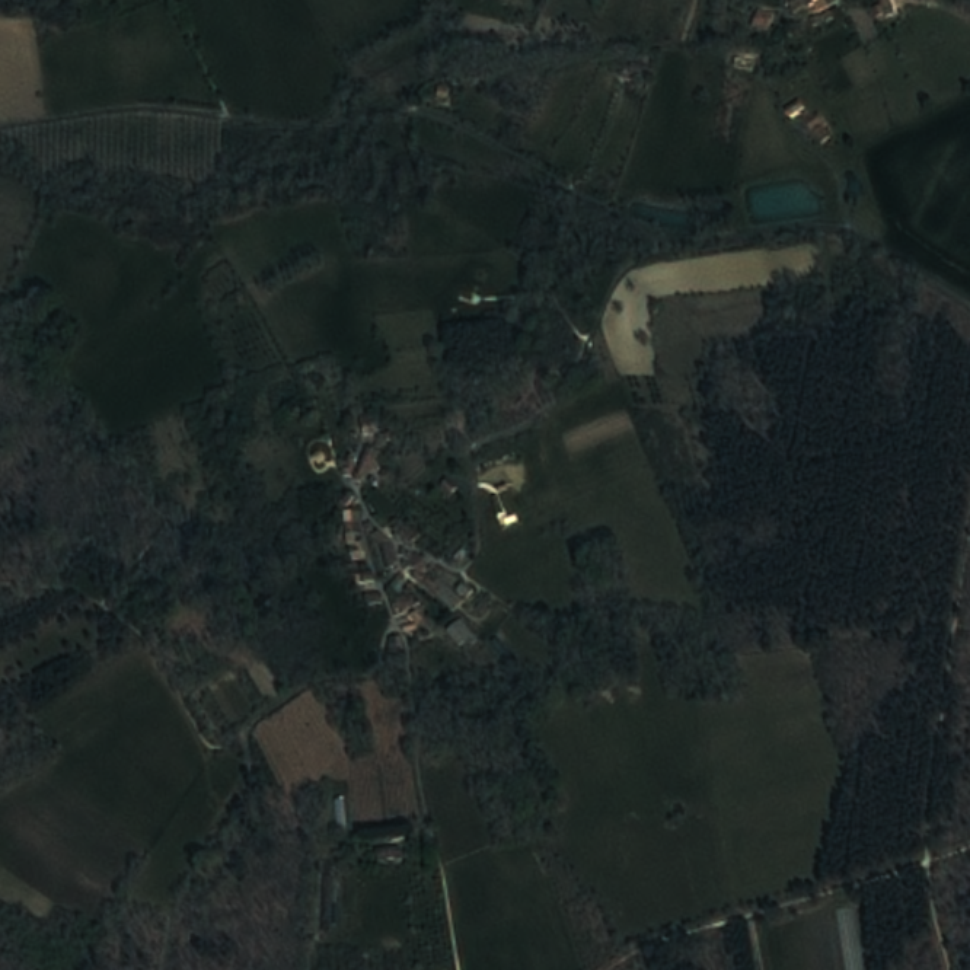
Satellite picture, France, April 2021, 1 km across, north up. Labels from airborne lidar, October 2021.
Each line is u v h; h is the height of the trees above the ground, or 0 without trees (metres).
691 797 0
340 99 18
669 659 22
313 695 18
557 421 0
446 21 12
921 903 18
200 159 22
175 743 0
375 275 0
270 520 12
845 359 20
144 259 0
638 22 0
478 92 6
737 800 0
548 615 19
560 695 17
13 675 11
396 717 0
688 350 0
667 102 0
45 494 15
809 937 0
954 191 0
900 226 0
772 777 0
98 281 0
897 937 22
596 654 24
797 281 14
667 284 0
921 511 18
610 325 0
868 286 8
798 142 0
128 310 0
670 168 0
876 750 19
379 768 0
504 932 0
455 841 0
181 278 11
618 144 0
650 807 0
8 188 0
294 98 0
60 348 14
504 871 0
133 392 0
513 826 20
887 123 0
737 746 0
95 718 0
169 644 12
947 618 18
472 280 0
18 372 23
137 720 0
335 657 0
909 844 19
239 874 19
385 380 0
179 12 15
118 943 13
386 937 0
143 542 14
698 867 0
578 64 21
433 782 0
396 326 0
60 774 0
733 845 0
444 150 0
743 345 8
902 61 7
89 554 14
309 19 0
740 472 21
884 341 14
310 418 18
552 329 15
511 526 0
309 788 16
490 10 0
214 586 10
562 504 0
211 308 11
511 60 19
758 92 0
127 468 16
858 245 9
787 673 0
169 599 18
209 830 0
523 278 15
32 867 0
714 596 20
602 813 0
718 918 12
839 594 18
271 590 21
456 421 7
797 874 0
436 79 8
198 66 6
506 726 21
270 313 0
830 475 18
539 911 0
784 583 21
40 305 25
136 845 0
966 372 21
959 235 0
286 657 16
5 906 9
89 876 0
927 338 22
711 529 22
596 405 0
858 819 19
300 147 8
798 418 11
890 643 15
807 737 0
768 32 6
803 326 11
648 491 0
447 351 11
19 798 0
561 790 15
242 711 0
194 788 0
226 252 0
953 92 0
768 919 22
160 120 17
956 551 19
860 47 6
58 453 18
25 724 8
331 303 0
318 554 16
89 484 17
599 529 0
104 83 0
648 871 0
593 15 12
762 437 9
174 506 20
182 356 0
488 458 5
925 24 0
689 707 14
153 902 0
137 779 0
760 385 13
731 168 0
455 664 0
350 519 0
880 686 8
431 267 0
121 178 18
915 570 19
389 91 0
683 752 0
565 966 0
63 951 14
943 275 0
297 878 15
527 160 11
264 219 0
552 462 0
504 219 0
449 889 0
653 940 11
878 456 17
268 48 0
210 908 21
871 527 18
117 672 0
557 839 15
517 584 0
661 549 0
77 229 0
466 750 25
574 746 0
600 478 0
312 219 0
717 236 24
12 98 0
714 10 16
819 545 16
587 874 0
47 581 22
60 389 20
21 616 12
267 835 15
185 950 14
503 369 14
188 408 10
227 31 0
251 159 12
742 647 9
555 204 18
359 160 16
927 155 0
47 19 14
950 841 13
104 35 0
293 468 0
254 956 11
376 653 0
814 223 0
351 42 0
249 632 23
